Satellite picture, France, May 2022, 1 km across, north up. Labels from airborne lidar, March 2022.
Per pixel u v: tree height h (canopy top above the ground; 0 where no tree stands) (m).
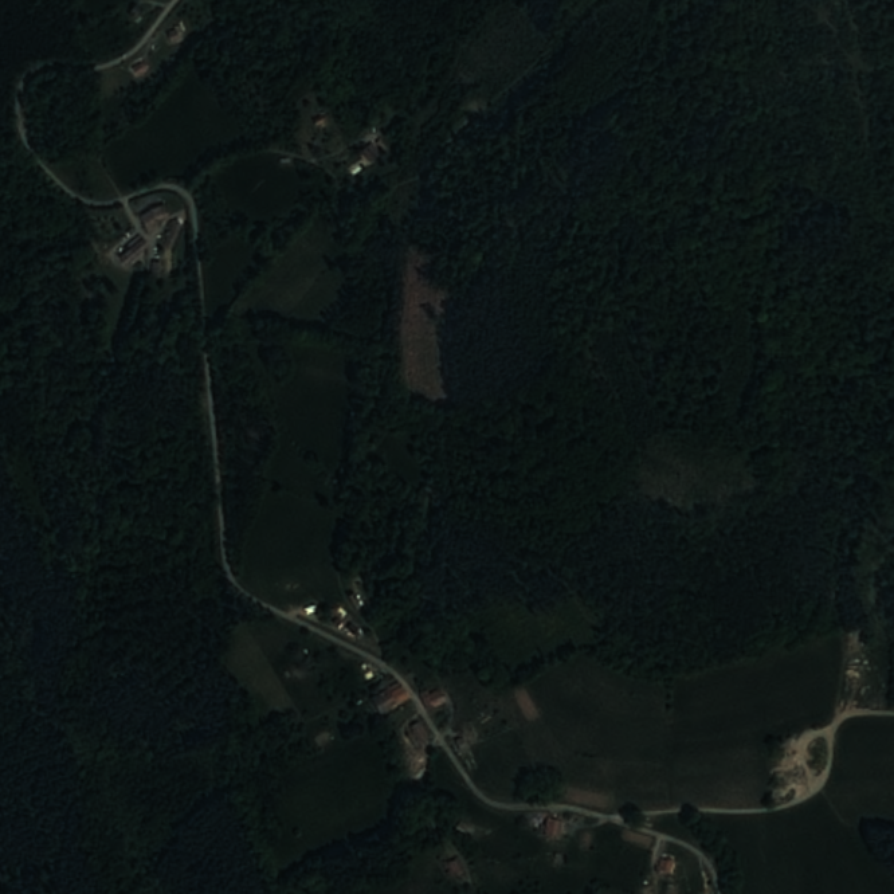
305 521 0
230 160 14
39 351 30
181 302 15
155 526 24
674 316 10
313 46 26
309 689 0
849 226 37
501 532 23
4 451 29
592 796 0
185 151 0
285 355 19
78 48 19
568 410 23
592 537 18
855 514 18
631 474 20
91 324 20
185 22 0
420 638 22
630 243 23
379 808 0
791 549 21
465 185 10
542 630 0
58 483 16
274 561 0
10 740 14
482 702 0
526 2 17
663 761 0
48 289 28
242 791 29
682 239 25
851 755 0
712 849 20
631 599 20
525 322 14
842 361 25
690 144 26
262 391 17
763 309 16
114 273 0
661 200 24
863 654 0
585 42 19
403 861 27
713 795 0
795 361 22
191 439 21
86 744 25
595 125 24
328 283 0
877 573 8
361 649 0
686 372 11
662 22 10
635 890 0
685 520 20
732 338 8
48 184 17
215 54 17
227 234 20
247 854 24
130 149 0
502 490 21
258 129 19
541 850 0
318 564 0
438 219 20
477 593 23
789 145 24
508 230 24
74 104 23
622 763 0
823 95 15
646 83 14
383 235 11
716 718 0
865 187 11
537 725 0
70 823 22
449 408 22
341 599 0
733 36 27
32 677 26
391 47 14
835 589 15
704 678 0
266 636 0
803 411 24
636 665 11
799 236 39
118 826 12
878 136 8
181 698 23
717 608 22
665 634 17
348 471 21
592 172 24
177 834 23
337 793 0
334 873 23
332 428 0
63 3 17
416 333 0
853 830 0
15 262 21
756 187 31
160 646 21
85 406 22
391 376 27
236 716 20
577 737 0
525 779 15
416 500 26
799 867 0
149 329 28
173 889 23
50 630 30
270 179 0
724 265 23
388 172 0
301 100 0
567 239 25
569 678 0
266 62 21
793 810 0
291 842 0
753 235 30
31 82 13
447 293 21
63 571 29
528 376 23
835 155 11
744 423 19
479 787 0
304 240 0
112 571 19
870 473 18
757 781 0
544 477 21
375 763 0
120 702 23
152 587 23
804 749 0
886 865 27
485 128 22
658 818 0
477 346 24
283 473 0
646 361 19
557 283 11
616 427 21
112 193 0
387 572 21
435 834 11
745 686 0
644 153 18
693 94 23
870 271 14
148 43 0
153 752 23
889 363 26
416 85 21
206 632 13
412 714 0
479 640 19
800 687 0
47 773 20
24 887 33
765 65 7
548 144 12
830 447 22
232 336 23
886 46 17
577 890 0
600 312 16
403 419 22
